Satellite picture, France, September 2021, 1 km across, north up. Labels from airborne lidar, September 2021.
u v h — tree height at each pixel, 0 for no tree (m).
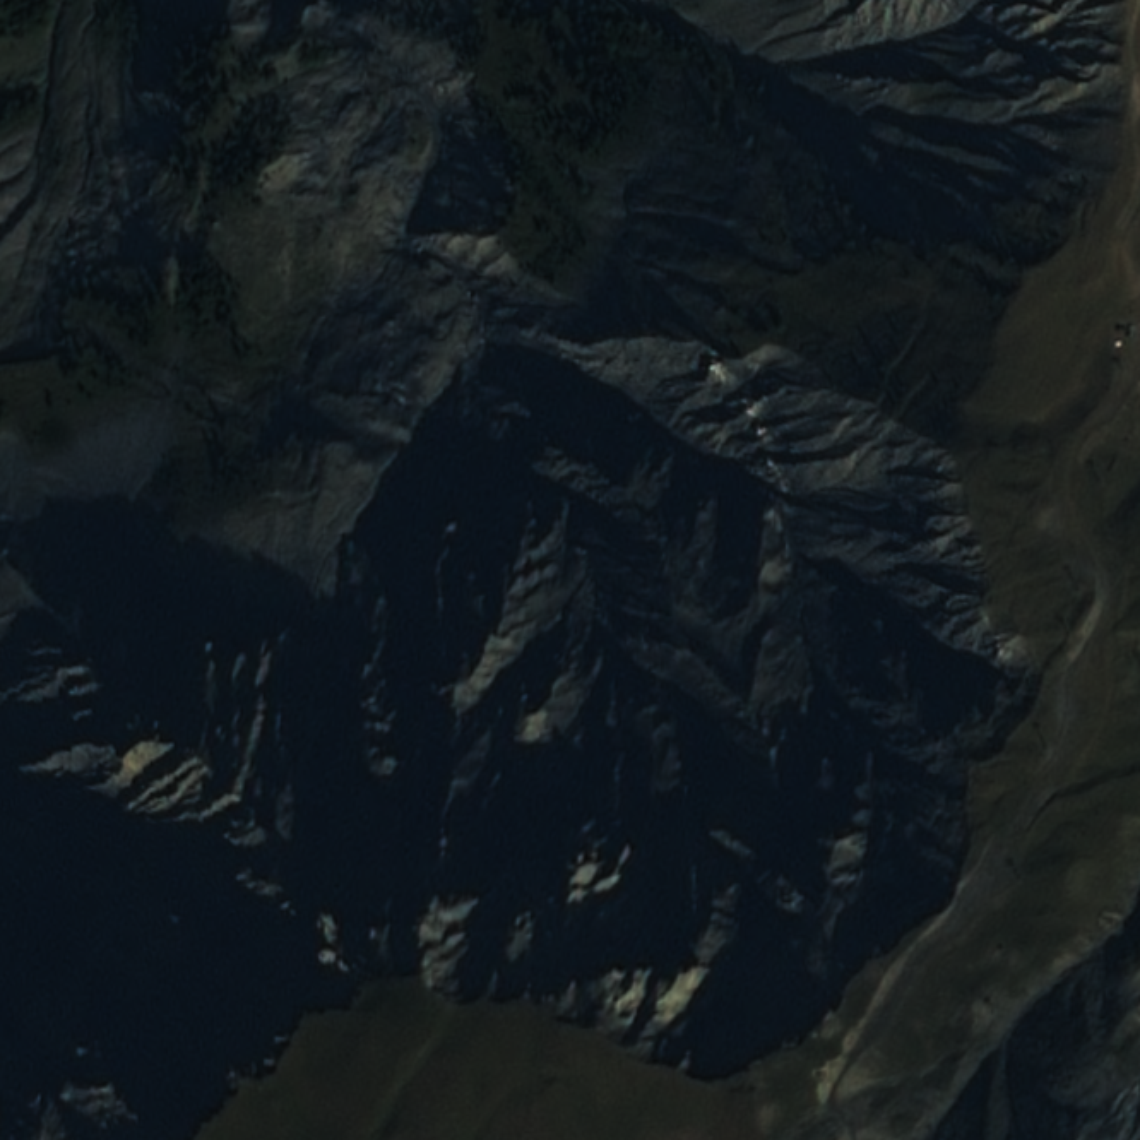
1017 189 0
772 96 0
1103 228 0
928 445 0
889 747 0
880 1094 0
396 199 0
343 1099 0
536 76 0
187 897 0
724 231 0
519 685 0
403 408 0
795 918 0
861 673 0
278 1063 0
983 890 0
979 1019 0
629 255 0
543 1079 0
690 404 0
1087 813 0
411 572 0
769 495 0
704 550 0
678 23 0
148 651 0
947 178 0
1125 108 0
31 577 0
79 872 0
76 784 0
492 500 0
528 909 0
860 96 0
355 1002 0
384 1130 0
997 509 0
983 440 0
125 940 0
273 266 0
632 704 0
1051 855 0
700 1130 0
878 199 0
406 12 0
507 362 0
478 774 0
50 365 0
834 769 0
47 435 0
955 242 0
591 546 0
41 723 0
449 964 0
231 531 0
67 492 0
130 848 0
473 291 0
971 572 0
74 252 0
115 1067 0
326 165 0
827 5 0
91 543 0
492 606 0
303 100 0
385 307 0
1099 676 0
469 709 0
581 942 0
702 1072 0
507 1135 0
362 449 0
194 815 0
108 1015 0
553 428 0
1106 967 0
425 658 0
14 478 0
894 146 0
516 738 0
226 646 0
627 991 0
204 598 0
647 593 0
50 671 0
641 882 0
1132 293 0
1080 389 0
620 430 0
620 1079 0
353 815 0
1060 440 0
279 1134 0
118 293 0
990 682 0
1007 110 0
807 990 0
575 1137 0
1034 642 0
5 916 0
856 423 0
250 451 0
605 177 0
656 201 0
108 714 0
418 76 0
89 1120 0
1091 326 0
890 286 0
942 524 0
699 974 0
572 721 0
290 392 0
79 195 0
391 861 0
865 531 0
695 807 0
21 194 0
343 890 0
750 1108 0
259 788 0
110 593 0
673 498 0
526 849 0
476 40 6
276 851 0
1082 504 0
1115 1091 0
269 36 0
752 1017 0
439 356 0
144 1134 0
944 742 0
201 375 0
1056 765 0
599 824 0
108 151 0
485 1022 0
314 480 0
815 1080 0
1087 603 0
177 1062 0
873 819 0
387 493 0
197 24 9
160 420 0
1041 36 0
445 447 0
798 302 0
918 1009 0
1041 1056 0
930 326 0
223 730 0
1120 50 0
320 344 0
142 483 0
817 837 0
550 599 0
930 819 0
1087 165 0
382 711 0
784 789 0
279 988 0
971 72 0
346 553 0
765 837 0
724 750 0
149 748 0
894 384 0
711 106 0
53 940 0
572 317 0
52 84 0
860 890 0
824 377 0
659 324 0
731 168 0
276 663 0
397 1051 0
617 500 0
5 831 0
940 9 0
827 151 0
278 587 0
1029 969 0
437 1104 0
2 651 0
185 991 0
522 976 0
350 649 0
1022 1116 0
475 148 0
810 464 0
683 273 0
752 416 0
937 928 0
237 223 0
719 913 0
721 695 0
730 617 0
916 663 0
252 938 0
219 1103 0
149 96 0
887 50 0
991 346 0
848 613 0
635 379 0
